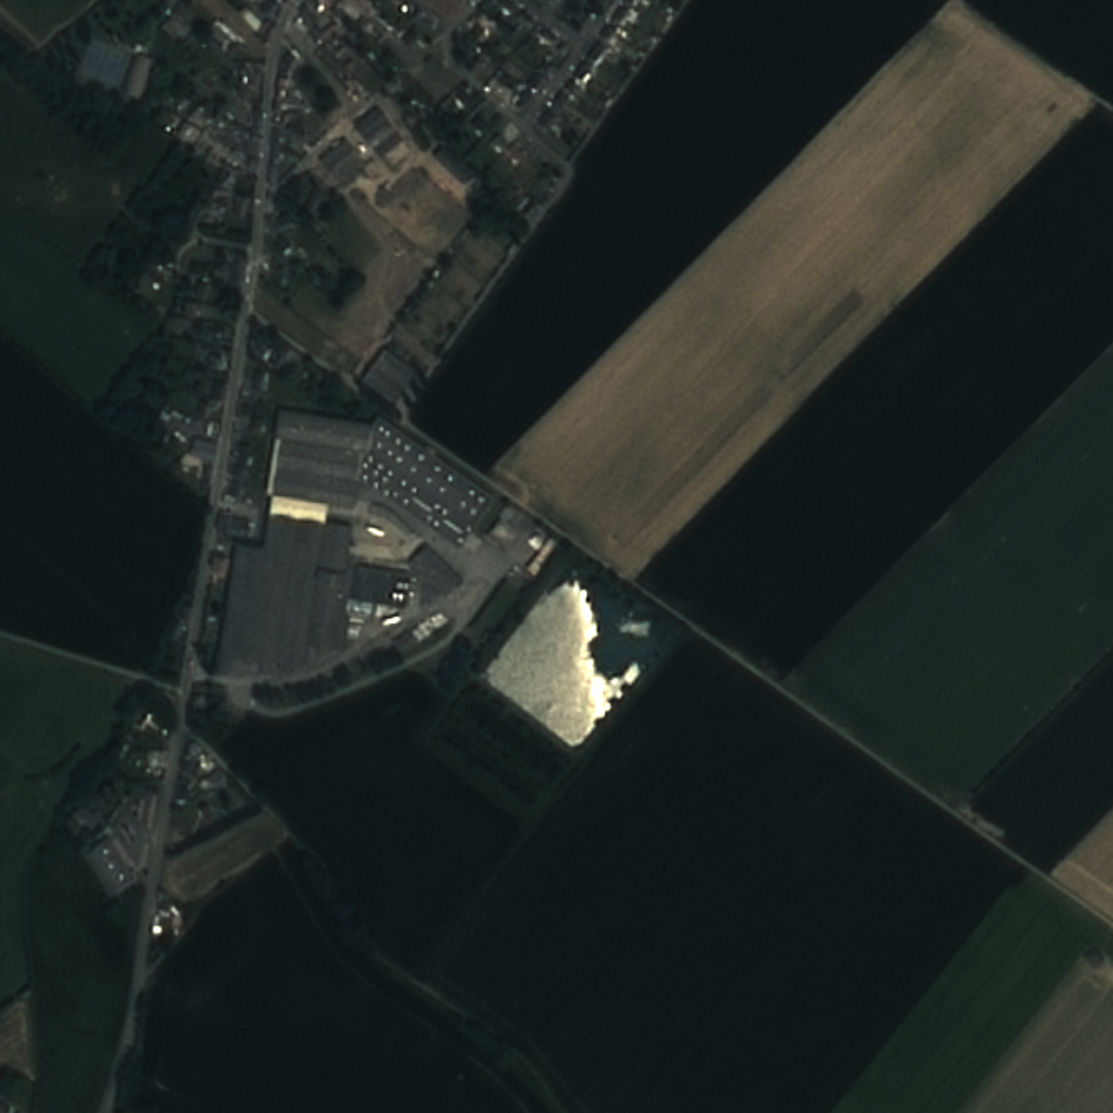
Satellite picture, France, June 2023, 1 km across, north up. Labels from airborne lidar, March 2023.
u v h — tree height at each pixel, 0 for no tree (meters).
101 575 0
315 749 0
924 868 0
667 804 0
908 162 0
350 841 0
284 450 0
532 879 0
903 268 0
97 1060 0
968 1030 0
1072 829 0
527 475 0
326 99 9
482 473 0
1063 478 0
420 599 0
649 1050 0
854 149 0
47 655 0
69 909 0
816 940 0
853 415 0
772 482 0
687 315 0
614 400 0
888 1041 0
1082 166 0
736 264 0
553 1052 0
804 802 0
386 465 0
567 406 0
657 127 0
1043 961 0
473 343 0
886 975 0
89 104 8
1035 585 0
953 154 0
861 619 0
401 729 0
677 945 0
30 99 0
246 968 0
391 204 0
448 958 0
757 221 0
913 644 0
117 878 0
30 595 0
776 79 0
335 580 0
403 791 0
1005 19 0
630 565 0
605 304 0
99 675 0
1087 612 0
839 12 0
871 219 0
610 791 0
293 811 0
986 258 0
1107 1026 0
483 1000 0
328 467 0
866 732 0
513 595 0
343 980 0
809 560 0
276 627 0
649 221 0
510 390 0
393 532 0
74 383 0
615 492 0
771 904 0
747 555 0
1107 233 0
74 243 0
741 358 0
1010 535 0
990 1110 0
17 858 0
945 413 0
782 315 0
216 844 0
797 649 0
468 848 0
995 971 0
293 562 0
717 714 0
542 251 0
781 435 0
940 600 0
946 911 0
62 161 0
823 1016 0
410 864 0
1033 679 0
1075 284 0
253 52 0
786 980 0
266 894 0
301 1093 0
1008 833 0
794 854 0
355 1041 0
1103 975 0
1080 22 0
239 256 0
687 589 0
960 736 0
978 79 0
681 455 0
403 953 0
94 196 0
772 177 0
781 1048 0
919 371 0
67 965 0
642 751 0
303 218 11
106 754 13
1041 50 0
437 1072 0
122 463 0
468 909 0
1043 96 0
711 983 0
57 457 0
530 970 0
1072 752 0
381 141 0
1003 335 0
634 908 0
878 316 0
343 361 0
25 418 0
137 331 0
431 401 0
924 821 0
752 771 0
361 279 6
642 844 0
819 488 0
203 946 0
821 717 0
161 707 17
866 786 0
